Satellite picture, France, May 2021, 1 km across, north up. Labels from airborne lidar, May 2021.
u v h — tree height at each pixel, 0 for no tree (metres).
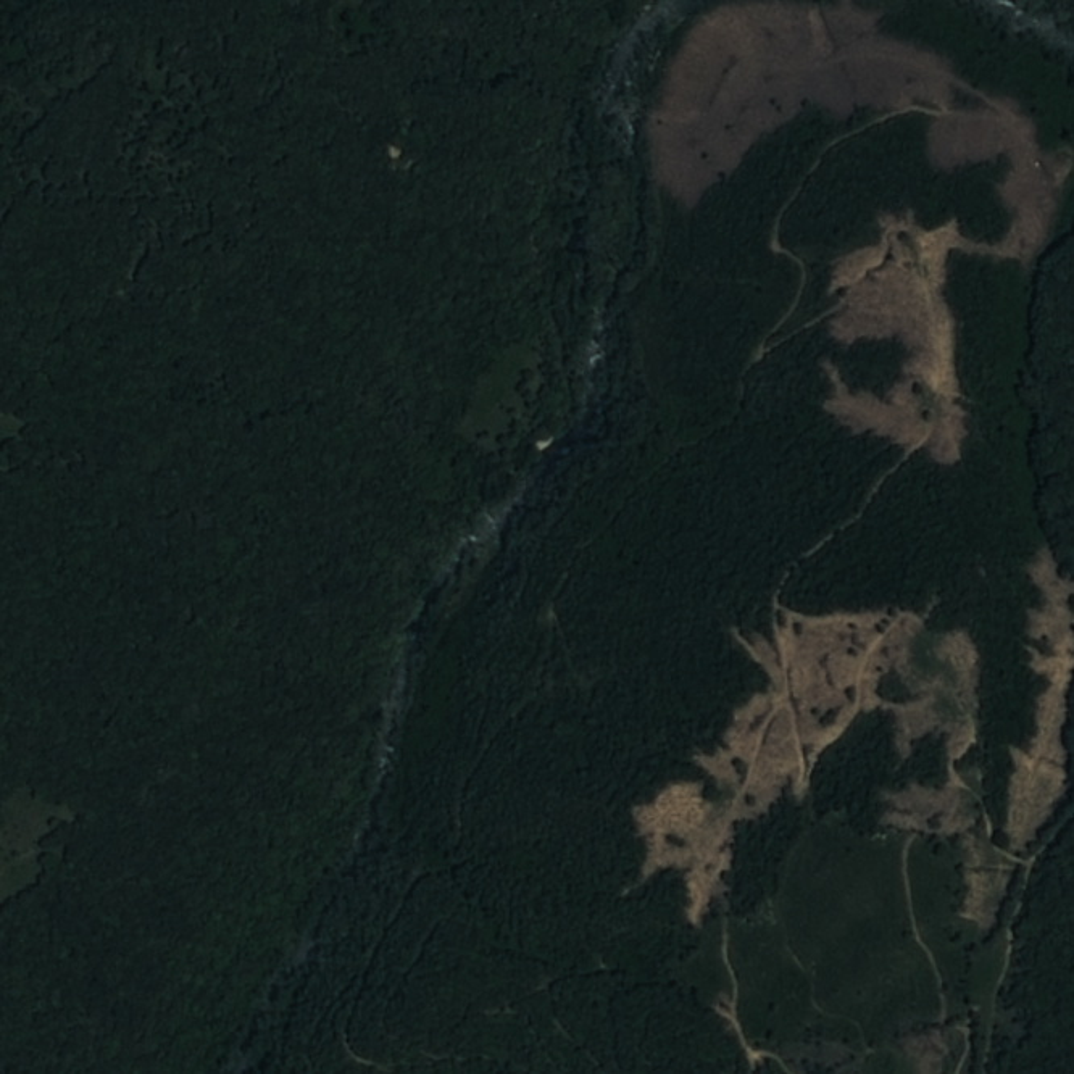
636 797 9
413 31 13
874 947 0
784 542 6
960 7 11
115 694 14
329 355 11
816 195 6
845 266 0
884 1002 0
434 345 9
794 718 0
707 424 7
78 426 16
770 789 0
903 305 0
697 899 0
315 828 12
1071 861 12
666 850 0
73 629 10
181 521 12
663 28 16
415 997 8
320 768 16
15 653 13
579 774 7
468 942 8
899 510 5
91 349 15
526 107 18
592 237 20
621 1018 8
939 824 6
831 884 0
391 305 12
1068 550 14
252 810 12
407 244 14
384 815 16
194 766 13
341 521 12
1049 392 19
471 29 14
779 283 0
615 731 7
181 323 14
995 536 6
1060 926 9
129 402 16
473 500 11
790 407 5
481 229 7
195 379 13
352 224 12
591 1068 10
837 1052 0
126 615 12
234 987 16
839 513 7
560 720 8
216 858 11
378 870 14
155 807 9
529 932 7
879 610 6
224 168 11
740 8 0
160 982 14
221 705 13
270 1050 13
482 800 7
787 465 7
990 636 8
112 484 12
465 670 6
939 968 0
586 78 12
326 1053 8
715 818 0
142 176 13
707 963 0
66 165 10
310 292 14
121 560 11
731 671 7
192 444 11
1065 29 11
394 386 10
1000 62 6
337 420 13
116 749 13
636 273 11
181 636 12
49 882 10
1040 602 8
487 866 7
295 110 15
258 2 16
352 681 13
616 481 6
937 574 6
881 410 0
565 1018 7
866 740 6
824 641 0
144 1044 15
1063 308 17
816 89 0
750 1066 7
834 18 0
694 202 0
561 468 24
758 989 0
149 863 13
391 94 17
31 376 13
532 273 17
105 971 17
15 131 8
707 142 0
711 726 9
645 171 19
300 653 17
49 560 13
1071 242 17
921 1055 0
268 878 15
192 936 16
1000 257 7
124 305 14
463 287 9
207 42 13
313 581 16
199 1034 16
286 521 12
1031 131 0
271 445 12
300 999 10
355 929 11
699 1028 8
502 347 7
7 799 12
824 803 8
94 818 12
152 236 13
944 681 0
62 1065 10
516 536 22
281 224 14
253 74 13
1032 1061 9
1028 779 0
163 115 18
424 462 16
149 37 14
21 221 14
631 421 16
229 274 13
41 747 14
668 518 6
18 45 11
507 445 13
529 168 11
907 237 10
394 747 13
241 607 11
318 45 19
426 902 7
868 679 0
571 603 5
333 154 13
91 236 14
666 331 0
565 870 6
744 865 6
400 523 15
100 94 14
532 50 17
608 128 20
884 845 0
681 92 0
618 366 14
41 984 12
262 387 17
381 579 13
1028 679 9
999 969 0
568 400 10
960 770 6
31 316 8
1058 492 18
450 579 15
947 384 6
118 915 13
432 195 11
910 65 0
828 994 0
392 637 17
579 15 14
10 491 14
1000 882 0
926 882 0
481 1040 12
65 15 9
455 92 23
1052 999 9
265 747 15
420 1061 9
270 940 16
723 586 8
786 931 0
